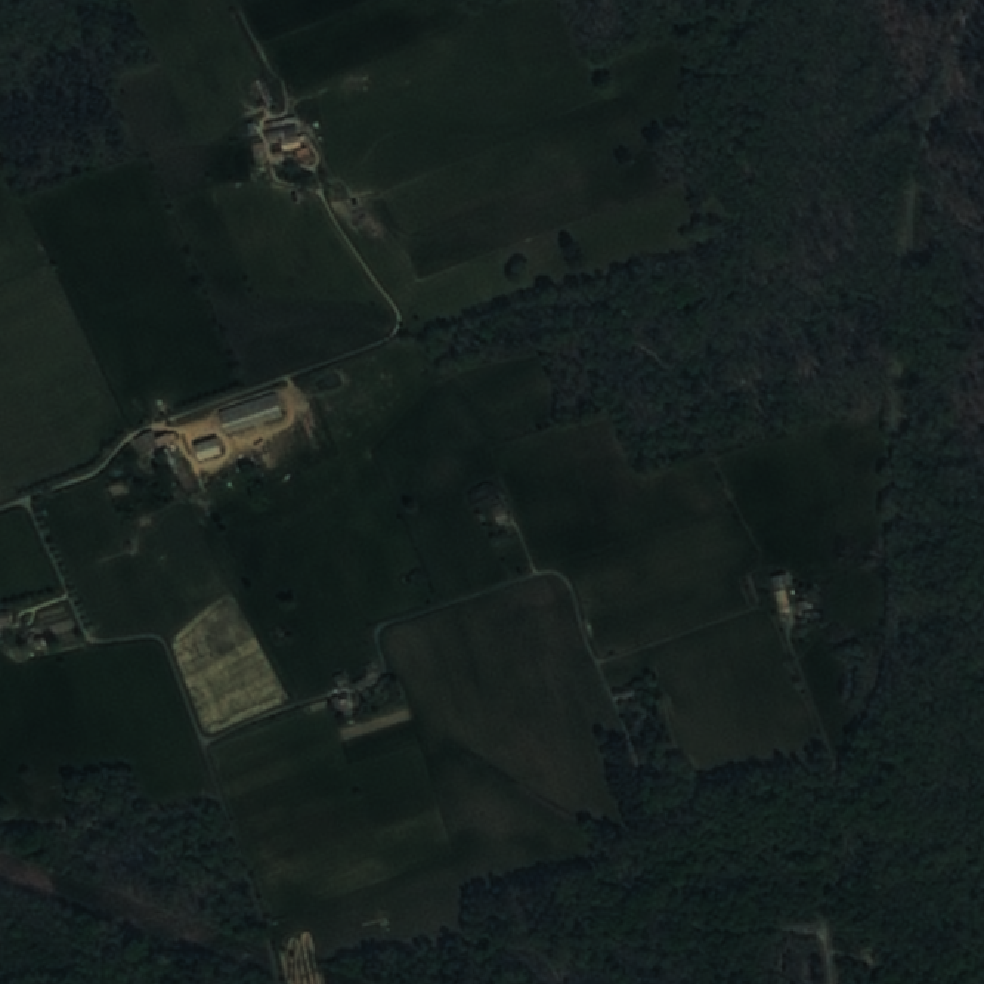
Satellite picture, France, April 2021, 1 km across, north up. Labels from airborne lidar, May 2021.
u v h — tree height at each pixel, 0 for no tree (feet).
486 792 0
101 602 0
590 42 48
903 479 67
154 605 0
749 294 75
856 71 52
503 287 0
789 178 59
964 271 55
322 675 0
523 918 34
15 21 71
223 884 58
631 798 70
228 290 0
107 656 0
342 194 0
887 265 66
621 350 51
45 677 0
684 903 68
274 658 0
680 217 0
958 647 91
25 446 0
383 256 0
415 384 0
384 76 0
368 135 0
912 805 68
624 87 0
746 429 64
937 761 63
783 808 56
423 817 0
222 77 0
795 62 55
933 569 91
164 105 0
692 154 47
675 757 45
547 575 0
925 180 56
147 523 0
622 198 0
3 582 0
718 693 0
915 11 64
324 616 0
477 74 0
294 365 0
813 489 0
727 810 72
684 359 40
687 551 0
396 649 0
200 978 85
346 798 0
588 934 75
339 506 0
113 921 56
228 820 42
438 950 53
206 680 0
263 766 0
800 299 81
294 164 36
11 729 0
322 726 0
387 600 0
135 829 46
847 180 66
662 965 51
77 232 0
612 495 0
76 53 32
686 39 63
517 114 0
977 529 82
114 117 31
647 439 44
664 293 73
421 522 0
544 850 0
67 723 0
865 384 56
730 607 0
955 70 40
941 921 51
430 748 0
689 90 37
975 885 35
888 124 57
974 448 44
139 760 0
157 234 0
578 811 0
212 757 0
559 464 0
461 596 0
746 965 56
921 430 46
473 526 0
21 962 25
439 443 0
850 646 34
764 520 0
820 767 76
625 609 0
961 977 51
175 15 0
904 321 73
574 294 60
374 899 0
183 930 19
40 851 38
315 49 0
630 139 0
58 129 55
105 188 0
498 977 72
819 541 0
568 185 0
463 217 0
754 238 59
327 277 0
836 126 62
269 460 0
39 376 0
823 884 49
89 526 0
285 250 0
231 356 34
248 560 0
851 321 67
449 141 0
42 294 0
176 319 0
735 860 46
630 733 21
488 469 0
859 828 57
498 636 0
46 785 0
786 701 0
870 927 51
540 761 0
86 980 65
